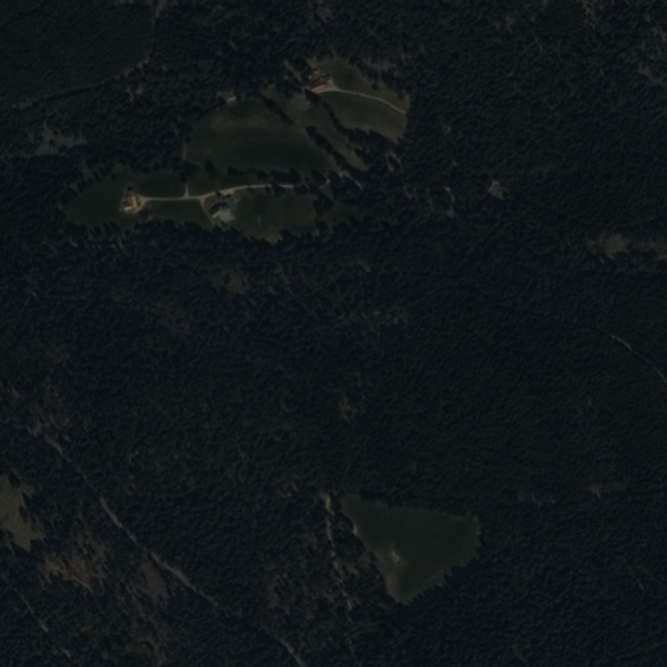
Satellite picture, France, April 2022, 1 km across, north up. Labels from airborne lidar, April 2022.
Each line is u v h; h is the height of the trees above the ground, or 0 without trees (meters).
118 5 6
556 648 29
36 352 27
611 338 13
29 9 15
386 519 0
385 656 39
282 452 27
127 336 32
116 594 27
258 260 27
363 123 0
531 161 21
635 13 7
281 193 27
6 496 0
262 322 29
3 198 24
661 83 0
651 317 21
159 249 28
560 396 20
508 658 30
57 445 13
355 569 0
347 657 18
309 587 29
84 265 29
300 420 22
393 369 22
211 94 23
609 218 20
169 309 30
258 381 26
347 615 12
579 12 8
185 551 29
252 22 13
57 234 23
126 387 26
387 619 13
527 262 20
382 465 23
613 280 22
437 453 15
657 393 16
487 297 24
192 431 29
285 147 0
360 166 0
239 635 31
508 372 21
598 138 22
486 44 22
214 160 0
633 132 21
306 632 29
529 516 25
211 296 27
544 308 17
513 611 26
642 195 20
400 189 19
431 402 15
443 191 27
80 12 19
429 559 0
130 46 18
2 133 21
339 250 24
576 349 20
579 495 26
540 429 20
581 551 25
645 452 18
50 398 26
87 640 26
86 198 0
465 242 34
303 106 0
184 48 20
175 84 16
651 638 23
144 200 0
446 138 28
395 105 0
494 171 21
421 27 22
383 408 23
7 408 28
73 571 28
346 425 25
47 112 16
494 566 27
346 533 7
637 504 23
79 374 27
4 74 17
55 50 17
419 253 24
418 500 21
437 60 25
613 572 27
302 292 29
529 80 27
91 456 32
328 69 0
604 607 27
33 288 31
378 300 29
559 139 22
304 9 18
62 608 28
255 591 34
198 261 27
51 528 24
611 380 17
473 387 19
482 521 13
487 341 21
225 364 28
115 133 18
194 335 30
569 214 14
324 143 26
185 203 0
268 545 30
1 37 20
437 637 27
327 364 22
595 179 24
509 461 22
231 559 27
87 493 30
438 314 26
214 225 0
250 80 24
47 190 25
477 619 26
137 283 32
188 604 33
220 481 26
